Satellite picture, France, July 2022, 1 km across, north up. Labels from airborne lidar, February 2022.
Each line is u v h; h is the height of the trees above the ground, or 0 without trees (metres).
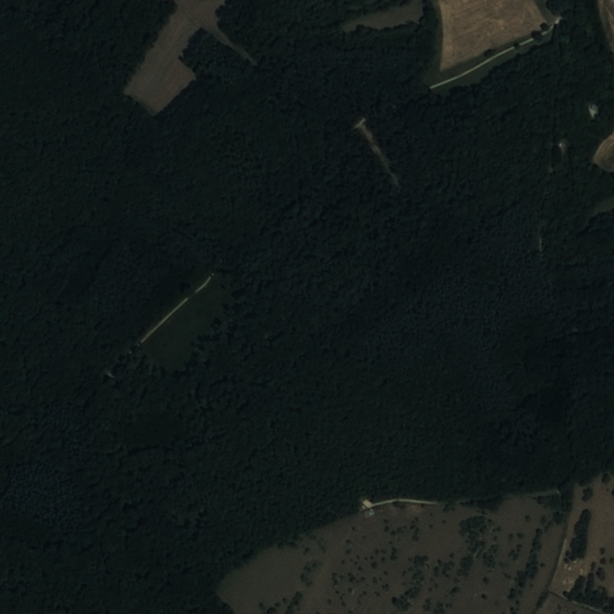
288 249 19
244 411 19
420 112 32
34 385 22
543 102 14
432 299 23
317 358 20
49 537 8
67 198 22
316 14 14
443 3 0
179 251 18
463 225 22
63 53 21
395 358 21
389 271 22
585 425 17
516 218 16
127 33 23
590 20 18
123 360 24
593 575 7
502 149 14
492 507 9
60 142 20
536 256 20
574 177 14
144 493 21
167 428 8
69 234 20
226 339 23
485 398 22
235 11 20
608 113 16
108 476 21
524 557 0
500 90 21
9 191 17
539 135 9
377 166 23
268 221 8
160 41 0
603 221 18
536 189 9
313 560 0
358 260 21
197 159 22
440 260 27
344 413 17
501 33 0
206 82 23
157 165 23
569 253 9
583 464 14
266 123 25
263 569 0
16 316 23
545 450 17
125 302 28
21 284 21
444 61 0
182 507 20
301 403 19
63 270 27
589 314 25
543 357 23
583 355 23
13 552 22
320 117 26
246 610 0
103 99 23
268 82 26
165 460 16
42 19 16
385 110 25
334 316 20
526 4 0
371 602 0
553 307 23
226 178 19
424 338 22
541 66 20
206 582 23
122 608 19
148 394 20
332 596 0
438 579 0
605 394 24
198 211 13
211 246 20
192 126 24
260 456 16
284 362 18
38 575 21
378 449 12
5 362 26
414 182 20
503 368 23
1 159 23
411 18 0
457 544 0
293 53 10
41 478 26
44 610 21
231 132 19
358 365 20
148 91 0
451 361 21
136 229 17
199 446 20
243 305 21
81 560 24
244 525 16
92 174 19
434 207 23
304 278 23
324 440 16
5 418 23
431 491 12
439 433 18
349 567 0
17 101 22
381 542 0
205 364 26
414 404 17
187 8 0
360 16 8
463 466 17
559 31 12
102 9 21
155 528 21
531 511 0
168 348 0
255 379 18
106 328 21
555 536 0
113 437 13
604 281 17
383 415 15
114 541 29
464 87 0
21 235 19
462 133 18
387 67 19
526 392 22
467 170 11
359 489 11
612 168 0
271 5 18
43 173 21
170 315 0
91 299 22
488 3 0
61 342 21
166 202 18
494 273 26
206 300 0
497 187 9
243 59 17
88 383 22
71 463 23
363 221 22
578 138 19
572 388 23
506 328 22
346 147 17
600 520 0
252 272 16
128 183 22
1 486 11
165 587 21
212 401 21
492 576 0
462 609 0
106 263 23
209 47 32
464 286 25
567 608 0
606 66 19
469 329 24
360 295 22
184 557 23
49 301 19
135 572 21
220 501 17
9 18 20
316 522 13
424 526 0
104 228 21
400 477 12
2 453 10
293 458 15
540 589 0
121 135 23
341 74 20
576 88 20
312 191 19
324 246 18
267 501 13
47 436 21
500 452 23
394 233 27
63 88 22
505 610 0
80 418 19
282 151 22
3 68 20
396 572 0
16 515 7
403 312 21
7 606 19
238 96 23
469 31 0
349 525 0
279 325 21
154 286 15
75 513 26
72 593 21
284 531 14
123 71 25
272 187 17
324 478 13
